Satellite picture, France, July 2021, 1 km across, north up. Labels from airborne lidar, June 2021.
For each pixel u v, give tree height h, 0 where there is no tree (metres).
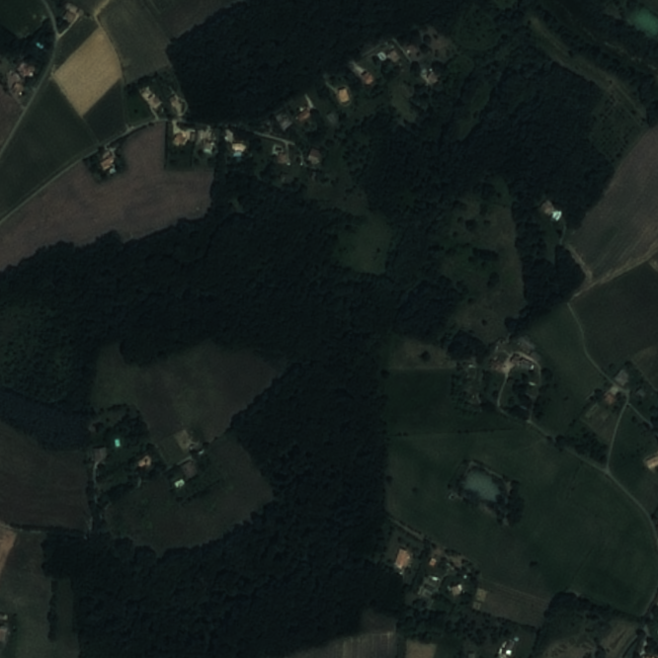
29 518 0
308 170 7
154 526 0
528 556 0
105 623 19
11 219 0
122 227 0
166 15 0
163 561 16
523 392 11
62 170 0
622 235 0
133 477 10
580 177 20
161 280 27
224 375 0
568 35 17
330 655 0
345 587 29
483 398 6
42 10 0
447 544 0
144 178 0
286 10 24
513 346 0
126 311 27
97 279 23
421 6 15
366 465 32
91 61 0
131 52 0
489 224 6
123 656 8
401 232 6
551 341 0
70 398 11
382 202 13
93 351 21
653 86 18
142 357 14
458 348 22
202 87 16
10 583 0
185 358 0
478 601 0
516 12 10
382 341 16
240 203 14
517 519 8
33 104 0
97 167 8
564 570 0
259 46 27
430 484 0
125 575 20
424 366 0
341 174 0
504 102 19
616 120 0
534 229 11
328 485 32
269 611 36
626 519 0
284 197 21
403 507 0
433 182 19
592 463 0
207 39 17
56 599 8
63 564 15
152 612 23
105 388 0
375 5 26
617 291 0
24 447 0
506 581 0
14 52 15
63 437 21
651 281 0
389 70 15
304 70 24
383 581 18
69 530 9
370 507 30
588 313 0
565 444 14
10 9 0
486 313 0
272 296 29
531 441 0
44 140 0
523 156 17
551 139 19
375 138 9
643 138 0
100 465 9
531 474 0
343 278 19
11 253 0
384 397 9
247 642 34
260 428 24
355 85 17
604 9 10
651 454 0
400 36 13
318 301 30
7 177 0
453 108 9
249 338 24
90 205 0
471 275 0
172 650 22
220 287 27
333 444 28
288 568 23
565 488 0
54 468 0
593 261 0
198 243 16
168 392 0
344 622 20
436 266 8
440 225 16
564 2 0
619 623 0
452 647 0
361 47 19
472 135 13
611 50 0
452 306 26
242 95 25
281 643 25
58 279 25
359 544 19
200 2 0
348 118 12
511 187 13
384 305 25
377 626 0
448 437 0
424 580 6
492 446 0
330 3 26
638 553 0
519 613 0
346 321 26
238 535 22
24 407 19
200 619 24
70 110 0
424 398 0
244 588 25
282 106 12
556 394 0
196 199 0
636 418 7
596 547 0
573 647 0
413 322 20
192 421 0
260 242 27
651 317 0
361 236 0
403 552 0
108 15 0
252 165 11
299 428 25
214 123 12
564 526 0
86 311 18
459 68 7
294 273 27
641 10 8
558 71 21
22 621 0
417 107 7
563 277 19
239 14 20
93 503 15
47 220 0
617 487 0
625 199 0
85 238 0
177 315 33
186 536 0
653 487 0
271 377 0
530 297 16
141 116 0
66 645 0
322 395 29
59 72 0
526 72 21
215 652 23
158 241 14
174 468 8
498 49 14
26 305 6
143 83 11
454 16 18
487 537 0
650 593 0
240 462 0
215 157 7
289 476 29
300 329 27
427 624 12
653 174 0
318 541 28
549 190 22
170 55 8
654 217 0
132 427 15
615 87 0
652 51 24
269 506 14
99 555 15
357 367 19
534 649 8
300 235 22
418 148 33
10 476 0
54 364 10
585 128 20
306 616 27
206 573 28
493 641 7
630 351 0
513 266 0
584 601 15
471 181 19
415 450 0
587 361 0
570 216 19
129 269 26
